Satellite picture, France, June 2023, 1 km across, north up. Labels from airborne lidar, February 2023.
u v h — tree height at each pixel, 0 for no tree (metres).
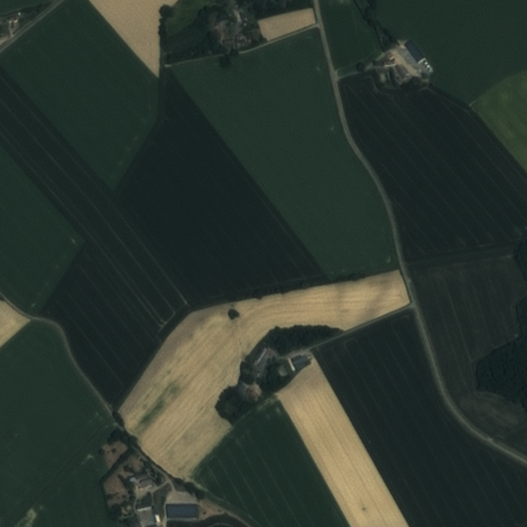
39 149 0
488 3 0
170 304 0
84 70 0
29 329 0
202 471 0
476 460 0
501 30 0
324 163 0
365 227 0
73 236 0
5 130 0
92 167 0
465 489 0
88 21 0
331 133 0
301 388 0
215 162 0
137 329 0
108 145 0
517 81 0
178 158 0
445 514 0
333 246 0
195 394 0
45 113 0
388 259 0
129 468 10
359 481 0
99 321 0
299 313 0
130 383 0
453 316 0
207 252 0
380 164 0
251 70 0
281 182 0
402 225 0
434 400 0
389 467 0
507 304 0
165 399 0
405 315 0
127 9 0
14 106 0
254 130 0
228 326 0
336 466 0
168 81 0
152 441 0
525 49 0
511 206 0
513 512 0
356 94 0
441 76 0
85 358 0
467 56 0
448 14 0
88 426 0
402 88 9
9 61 0
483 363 12
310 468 0
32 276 0
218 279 0
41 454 0
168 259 0
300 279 0
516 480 0
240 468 0
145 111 0
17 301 0
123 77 0
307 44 0
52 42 0
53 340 0
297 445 0
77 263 0
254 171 0
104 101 0
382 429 0
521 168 0
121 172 0
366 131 0
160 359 0
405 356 0
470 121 0
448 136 0
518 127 0
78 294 0
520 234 0
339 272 0
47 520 0
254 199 0
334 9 0
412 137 0
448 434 0
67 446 0
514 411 0
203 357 0
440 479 0
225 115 0
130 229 0
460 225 0
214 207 0
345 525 0
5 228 0
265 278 0
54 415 0
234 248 0
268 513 0
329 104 0
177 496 0
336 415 0
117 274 0
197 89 0
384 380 0
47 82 0
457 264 0
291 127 0
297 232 0
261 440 0
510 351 17
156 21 0
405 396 0
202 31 7
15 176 0
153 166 0
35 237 0
